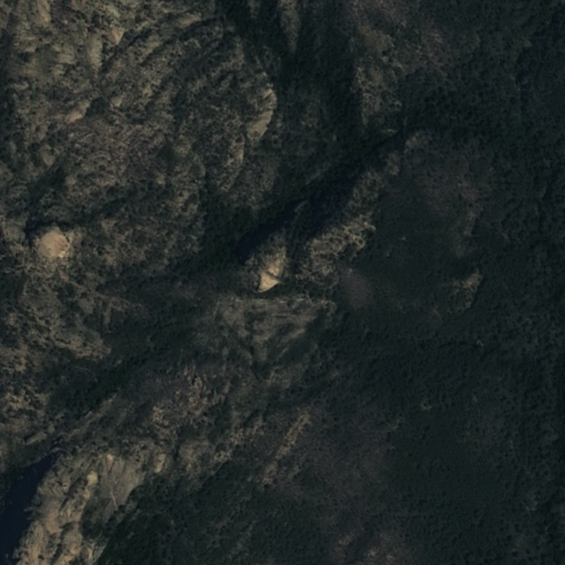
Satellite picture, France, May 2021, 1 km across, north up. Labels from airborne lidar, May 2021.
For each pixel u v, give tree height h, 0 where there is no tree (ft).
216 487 74
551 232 100
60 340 29
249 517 61
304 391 56
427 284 52
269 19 32
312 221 32
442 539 62
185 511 66
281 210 61
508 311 41
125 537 37
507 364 40
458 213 56
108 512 0
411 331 63
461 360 79
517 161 95
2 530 37
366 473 59
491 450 58
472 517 50
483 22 60
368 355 67
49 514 0
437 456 61
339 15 43
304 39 46
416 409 62
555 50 55
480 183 55
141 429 32
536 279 50
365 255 63
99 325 44
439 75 74
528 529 65
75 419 63
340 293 69
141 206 57
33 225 103
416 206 59
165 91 68
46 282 27
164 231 45
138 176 52
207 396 50
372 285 58
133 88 47
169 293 65
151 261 73
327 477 70
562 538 48
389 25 52
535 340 55
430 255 69
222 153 52
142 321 28
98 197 56
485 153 113
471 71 82
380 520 55
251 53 28
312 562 40
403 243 75
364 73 45
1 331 44
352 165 66
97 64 0
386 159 27
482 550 95
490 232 92
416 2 67
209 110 46
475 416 50
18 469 24
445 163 78
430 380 46
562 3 37
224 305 0
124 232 49
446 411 57
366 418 60
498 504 73
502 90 64
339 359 68
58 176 23
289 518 57
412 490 62
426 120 38
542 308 41
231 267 78
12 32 25
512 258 80
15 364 39
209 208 85
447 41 57
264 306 0
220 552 57
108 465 0
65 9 59
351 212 28
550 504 58
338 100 49
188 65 32
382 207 62
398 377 85
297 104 33
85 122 43
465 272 25
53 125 51
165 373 44
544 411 96
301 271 33
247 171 58
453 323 64
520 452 68
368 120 19
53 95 34
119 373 50
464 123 115
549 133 83
